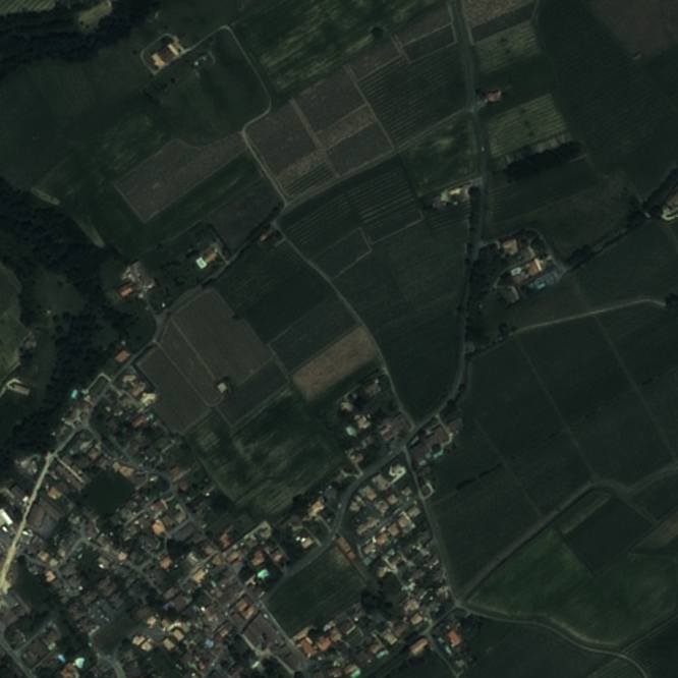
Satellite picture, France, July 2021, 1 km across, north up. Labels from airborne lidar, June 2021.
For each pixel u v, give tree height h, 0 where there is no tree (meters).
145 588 10
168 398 0
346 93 0
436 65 0
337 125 0
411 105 0
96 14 0
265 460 0
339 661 0
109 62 0
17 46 23
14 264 9
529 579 0
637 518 0
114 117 0
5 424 0
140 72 0
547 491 0
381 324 0
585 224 0
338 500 0
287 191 0
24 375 0
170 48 0
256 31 0
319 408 0
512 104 0
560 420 0
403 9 0
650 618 0
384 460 0
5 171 0
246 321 0
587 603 0
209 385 0
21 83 0
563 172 0
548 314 0
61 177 0
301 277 0
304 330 0
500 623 0
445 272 0
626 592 0
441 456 0
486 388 0
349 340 0
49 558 0
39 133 0
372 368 0
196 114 0
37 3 0
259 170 0
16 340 0
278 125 0
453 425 0
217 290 0
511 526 0
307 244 0
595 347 0
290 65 0
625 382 0
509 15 0
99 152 0
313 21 0
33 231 21
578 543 0
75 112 0
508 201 0
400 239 0
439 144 0
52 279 0
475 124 0
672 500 0
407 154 0
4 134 0
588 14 0
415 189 0
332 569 0
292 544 7
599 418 0
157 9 11
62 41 20
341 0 0
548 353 0
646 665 0
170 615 9
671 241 0
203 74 0
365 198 0
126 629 0
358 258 0
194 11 0
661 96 0
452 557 0
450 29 0
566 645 0
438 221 0
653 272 0
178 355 0
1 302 0
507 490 0
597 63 0
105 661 0
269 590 7
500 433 0
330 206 0
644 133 0
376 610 11
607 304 0
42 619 11
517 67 0
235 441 0
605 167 0
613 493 0
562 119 0
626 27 0
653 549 0
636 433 0
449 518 0
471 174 0
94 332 10
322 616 0
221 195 0
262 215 0
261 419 0
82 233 10
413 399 0
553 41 0
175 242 0
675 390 0
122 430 6
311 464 0
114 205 0
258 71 0
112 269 0
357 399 9
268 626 0
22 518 9
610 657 0
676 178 11
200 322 0
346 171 0
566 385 0
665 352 0
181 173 0
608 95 0
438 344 0
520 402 0
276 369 0
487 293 6
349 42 0
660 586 0
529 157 10
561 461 0
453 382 0
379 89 0
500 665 0
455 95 0
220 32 0
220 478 0
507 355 0
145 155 0
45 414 12
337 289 0
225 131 0
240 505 0
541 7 0
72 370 13
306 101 0
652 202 12
